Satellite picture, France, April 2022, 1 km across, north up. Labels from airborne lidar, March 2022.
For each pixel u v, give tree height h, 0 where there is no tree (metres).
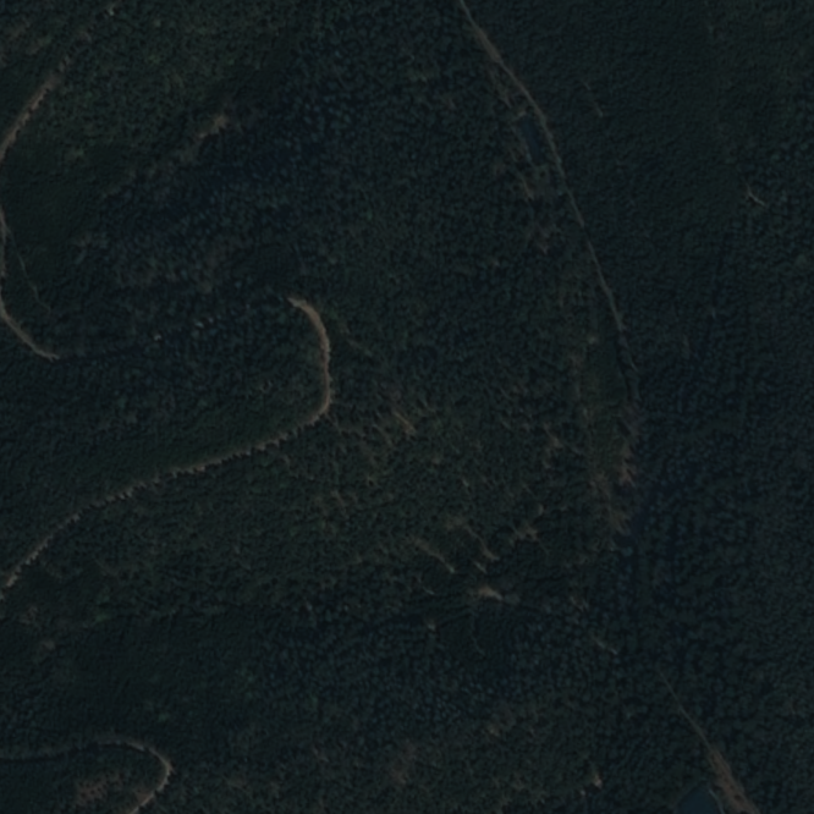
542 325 27
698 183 20
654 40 19
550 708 22
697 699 26
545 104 15
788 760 24
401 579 7
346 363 16
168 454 18
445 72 10
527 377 40
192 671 7
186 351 12
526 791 7
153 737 14
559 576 15
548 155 26
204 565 8
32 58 7
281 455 21
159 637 10
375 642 31
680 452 22
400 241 22
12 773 15
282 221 10
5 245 10
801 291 25
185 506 21
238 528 22
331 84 26
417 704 31
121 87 25
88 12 26
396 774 24
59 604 18
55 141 7
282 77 23
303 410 16
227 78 14
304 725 9
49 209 10
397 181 26
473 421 25
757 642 25
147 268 32
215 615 41
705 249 18
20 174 13
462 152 29
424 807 12
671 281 19
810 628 23
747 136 13
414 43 23
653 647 45
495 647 15
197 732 7
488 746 23
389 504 24
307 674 6
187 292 13
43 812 13
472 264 32
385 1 36
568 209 30
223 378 15
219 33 24
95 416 9
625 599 30
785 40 8
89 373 23
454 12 11
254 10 27
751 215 20
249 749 32
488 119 30
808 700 23
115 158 10
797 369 16
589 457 33
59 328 15
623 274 18
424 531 28
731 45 16
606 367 6
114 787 10
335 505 10
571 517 12
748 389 40
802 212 26
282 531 24
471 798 20
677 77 19
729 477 26
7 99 9
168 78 23
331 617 37
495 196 32
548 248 18
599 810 21
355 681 29
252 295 15
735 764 23
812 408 22
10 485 17
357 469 20
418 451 29
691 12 16
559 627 21
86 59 9
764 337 29
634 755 38
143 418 10
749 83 16
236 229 8
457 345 29
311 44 7
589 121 17
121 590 19
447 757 21
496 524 29
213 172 19
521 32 15
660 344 20
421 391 30
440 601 16
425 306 31
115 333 13
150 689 9
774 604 22
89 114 29
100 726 13
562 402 29
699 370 21
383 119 29
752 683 26
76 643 17
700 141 19
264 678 8
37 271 14
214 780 24
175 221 14
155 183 15
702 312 24
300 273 8
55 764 14
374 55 30
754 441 21
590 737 26
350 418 12
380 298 28
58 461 18
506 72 15
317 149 8
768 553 22
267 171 11
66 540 19
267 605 9
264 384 9
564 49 15
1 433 19
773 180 20
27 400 17
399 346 26
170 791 14
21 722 17
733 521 34
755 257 20
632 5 9
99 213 17
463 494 29
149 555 27
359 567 6
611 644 26
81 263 34
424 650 34
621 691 29
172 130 30
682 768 40
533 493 9
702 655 47
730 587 21
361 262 25
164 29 11
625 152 21
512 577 27
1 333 17
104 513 21
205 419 18
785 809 38
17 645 19
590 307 12
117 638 16
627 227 20
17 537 21
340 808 25
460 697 8
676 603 15
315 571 26
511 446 27
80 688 12
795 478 23
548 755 23
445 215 25
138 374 22
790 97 12
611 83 17
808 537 22
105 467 20
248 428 20
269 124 20
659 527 39
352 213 32
